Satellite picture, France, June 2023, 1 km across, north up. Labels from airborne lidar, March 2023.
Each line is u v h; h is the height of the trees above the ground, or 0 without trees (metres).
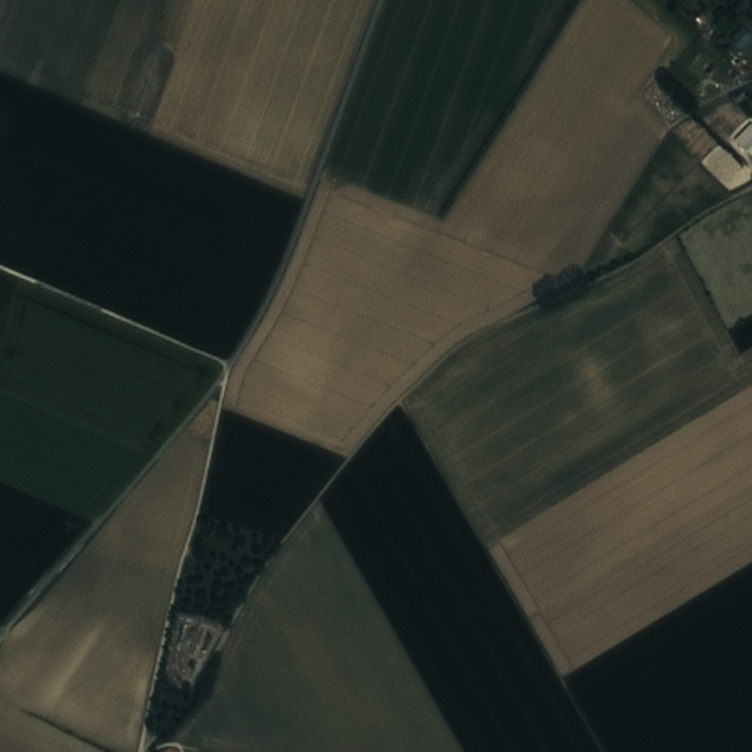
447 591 0
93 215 0
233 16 0
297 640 0
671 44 0
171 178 0
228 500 0
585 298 0
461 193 0
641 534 0
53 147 0
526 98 0
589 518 0
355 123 0
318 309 0
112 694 0
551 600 0
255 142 0
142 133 0
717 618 0
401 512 0
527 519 0
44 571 0
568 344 0
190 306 0
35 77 0
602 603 0
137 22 0
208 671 12
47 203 0
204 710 0
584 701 0
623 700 0
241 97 0
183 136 0
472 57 0
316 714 0
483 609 0
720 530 0
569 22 0
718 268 0
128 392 0
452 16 0
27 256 0
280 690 0
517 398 0
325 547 0
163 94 0
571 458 0
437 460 0
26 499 0
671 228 0
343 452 0
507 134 0
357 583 0
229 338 0
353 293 0
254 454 0
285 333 0
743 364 0
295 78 0
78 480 0
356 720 0
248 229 0
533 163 0
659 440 0
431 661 0
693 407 0
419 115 0
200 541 11
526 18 0
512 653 0
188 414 0
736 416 0
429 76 0
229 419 0
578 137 0
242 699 0
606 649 0
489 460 0
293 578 0
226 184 0
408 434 0
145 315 0
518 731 0
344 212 0
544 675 0
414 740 0
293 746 0
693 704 0
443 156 0
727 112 0
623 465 0
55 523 0
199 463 0
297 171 0
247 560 14
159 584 0
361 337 0
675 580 0
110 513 0
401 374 0
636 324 0
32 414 0
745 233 0
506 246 0
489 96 0
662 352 0
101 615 0
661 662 0
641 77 0
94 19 0
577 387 0
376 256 0
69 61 0
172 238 0
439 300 0
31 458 0
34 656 0
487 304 0
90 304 0
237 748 0
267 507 0
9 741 0
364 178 0
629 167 0
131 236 0
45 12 0
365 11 0
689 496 0
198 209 0
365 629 0
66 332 0
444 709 0
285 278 0
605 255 0
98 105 0
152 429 0
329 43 0
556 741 0
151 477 0
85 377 0
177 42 0
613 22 0
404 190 0
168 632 9
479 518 0
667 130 0
